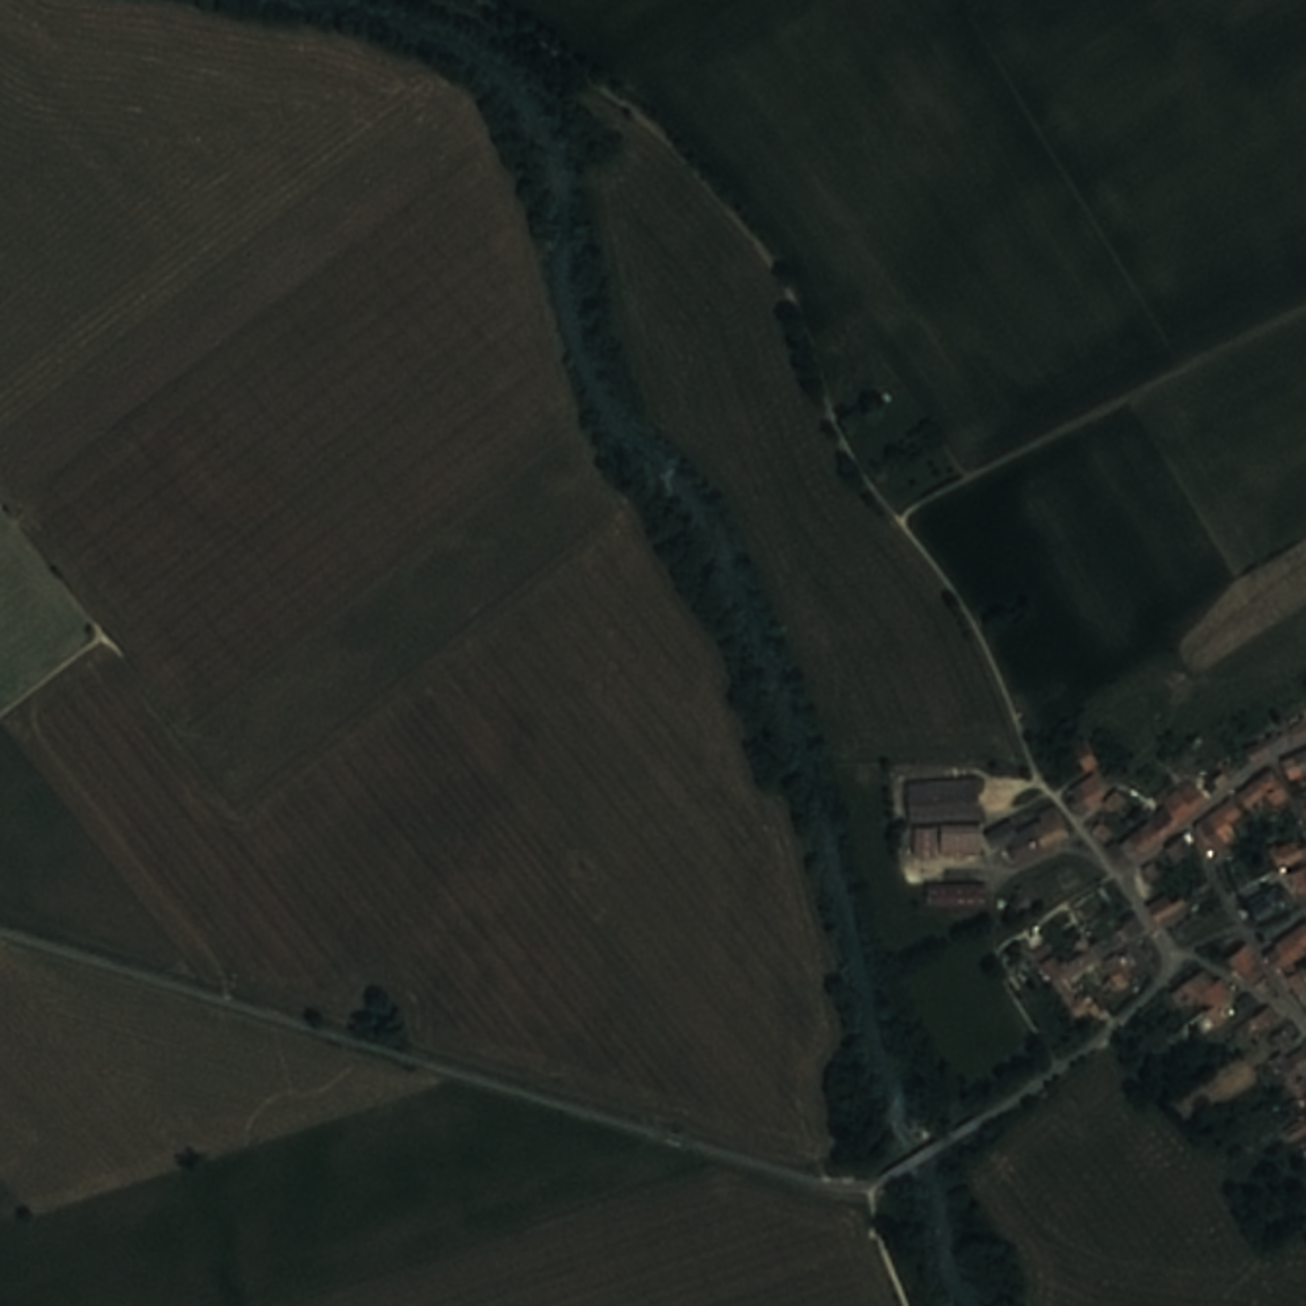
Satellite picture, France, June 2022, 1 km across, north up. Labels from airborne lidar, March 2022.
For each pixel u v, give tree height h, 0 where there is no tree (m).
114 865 0
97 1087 0
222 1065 0
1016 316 0
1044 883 0
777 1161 0
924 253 0
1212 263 0
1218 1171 0
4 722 0
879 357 0
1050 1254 0
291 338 0
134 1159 0
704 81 0
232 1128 0
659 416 0
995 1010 0
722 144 0
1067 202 0
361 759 0
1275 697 0
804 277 0
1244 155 0
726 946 0
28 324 0
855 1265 0
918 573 0
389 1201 0
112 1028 0
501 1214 0
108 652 0
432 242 0
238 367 0
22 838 0
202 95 0
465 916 0
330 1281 0
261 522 0
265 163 0
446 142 0
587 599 0
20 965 0
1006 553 0
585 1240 0
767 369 0
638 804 0
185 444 0
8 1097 0
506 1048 0
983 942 0
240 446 0
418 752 0
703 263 0
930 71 0
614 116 0
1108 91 0
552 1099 0
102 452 0
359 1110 0
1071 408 0
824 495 0
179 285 0
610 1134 0
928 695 0
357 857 0
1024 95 0
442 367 0
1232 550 0
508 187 0
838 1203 0
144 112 0
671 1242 0
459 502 0
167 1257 0
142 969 0
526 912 0
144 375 0
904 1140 0
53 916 0
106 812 0
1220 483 0
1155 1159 0
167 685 0
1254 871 7
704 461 0
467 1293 0
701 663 0
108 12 0
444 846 0
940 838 0
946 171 0
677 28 0
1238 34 0
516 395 0
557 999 0
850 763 0
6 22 0
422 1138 0
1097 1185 0
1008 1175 0
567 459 0
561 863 0
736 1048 0
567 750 0
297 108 0
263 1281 0
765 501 0
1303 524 0
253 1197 0
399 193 0
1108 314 0
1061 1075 0
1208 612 0
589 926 0
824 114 0
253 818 0
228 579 0
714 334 0
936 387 0
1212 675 0
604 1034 0
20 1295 0
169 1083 0
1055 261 0
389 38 20
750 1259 0
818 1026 0
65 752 0
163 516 0
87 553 0
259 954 0
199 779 0
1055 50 0
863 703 0
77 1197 0
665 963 0
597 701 0
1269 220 0
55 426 0
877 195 0
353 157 0
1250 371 0
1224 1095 0
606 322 16
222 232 0
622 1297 0
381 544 0
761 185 0
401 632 0
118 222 0
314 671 0
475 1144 0
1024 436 0
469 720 0
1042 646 0
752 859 0
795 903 0
